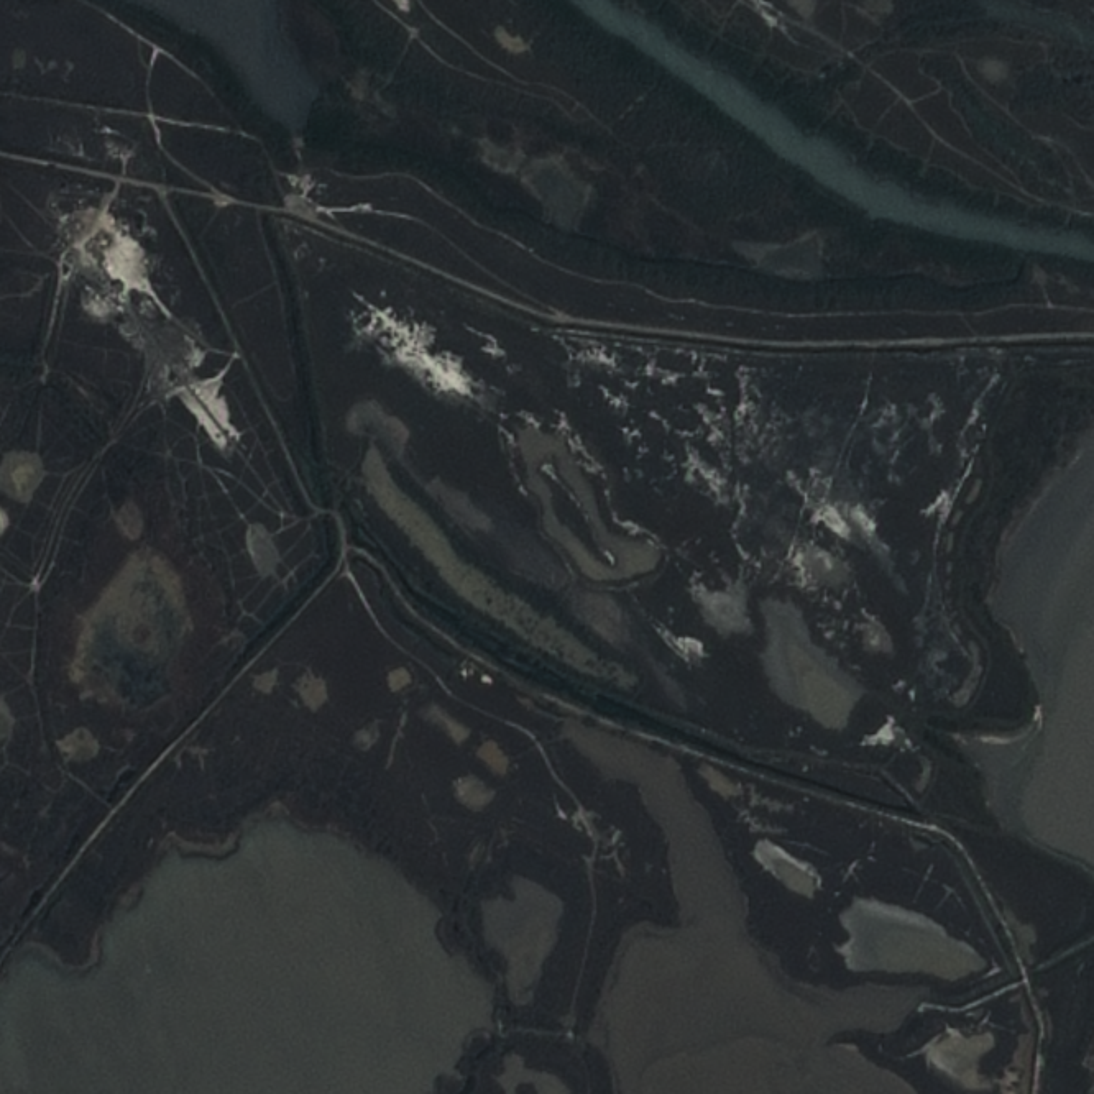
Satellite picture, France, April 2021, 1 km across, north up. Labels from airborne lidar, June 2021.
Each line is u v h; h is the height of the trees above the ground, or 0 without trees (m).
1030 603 0
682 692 0
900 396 0
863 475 0
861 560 0
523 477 0
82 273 0
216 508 0
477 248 0
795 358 0
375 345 0
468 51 0
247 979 0
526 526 0
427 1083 0
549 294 0
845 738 0
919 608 0
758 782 0
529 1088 0
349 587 0
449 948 0
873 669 0
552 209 0
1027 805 0
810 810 0
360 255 0
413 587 0
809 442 0
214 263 0
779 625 0
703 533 0
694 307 0
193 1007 0
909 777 0
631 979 0
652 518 0
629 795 0
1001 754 0
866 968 0
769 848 0
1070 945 0
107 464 0
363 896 0
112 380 0
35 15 0
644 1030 0
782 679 0
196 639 0
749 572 0
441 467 0
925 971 0
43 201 0
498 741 0
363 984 0
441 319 0
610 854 0
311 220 0
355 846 0
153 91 0
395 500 0
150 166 0
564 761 0
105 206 0
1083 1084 0
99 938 0
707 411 0
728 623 0
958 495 0
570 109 0
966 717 0
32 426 0
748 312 0
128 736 0
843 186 0
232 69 0
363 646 0
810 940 0
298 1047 0
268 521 0
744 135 5
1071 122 0
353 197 0
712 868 0
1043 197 0
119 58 0
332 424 0
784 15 0
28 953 0
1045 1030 0
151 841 0
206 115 0
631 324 0
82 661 0
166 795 0
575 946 0
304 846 0
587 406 0
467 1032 0
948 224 0
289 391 0
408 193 0
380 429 0
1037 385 0
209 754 0
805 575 0
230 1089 0
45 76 0
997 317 0
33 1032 0
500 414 0
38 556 0
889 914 0
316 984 0
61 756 0
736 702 0
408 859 0
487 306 0
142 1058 0
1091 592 0
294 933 0
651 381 0
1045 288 0
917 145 0
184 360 0
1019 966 0
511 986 0
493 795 0
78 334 0
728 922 0
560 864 0
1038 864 0
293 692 0
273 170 0
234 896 0
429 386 0
